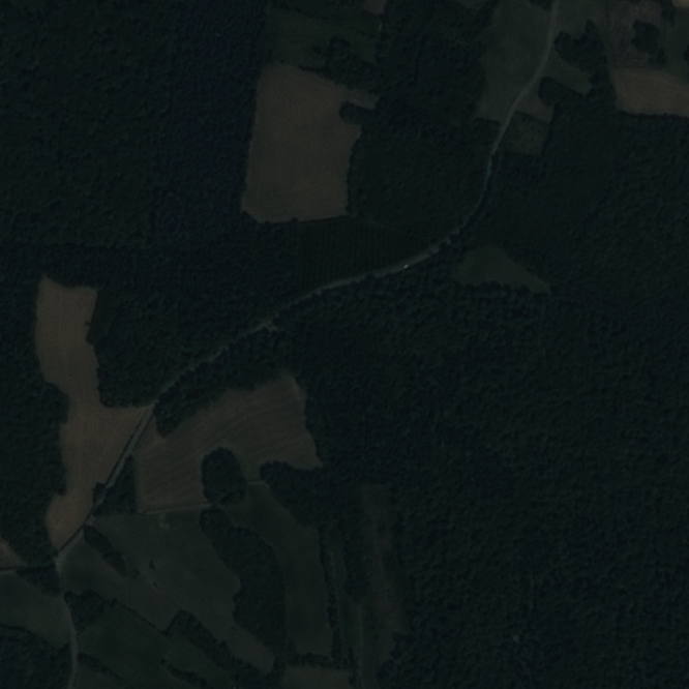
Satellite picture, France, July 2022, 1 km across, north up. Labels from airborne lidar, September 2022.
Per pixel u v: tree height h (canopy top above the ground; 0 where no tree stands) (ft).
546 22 0
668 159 50
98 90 65
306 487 66
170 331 65
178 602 0
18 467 57
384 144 52
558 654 51
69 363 0
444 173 59
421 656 58
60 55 82
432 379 43
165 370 65
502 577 55
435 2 53
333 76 61
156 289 62
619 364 58
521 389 69
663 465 73
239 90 59
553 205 40
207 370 62
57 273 51
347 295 66
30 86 75
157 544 0
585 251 57
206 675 0
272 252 56
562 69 0
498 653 61
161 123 52
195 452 0
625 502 67
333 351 59
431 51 46
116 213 65
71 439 0
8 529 58
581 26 0
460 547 55
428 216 33
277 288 52
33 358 57
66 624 0
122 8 71
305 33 0
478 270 0
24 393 50
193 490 0
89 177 70
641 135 51
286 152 0
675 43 0
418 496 65
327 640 0
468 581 55
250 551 48
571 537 39
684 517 52
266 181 0
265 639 47
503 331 47
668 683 50
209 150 65
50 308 0
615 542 67
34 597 0
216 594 0
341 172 0
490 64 0
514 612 56
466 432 45
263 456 0
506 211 37
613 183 54
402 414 52
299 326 61
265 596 55
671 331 60
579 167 35
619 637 60
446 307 71
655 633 43
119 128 65
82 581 0
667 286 50
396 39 33
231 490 63
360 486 66
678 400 66
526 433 57
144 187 68
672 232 59
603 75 54
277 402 0
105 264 58
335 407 61
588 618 51
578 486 58
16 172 69
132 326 68
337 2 51
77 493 0
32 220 59
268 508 0
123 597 0
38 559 41
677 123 53
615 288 53
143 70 71
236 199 60
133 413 0
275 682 43
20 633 28
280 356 58
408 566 69
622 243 60
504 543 53
